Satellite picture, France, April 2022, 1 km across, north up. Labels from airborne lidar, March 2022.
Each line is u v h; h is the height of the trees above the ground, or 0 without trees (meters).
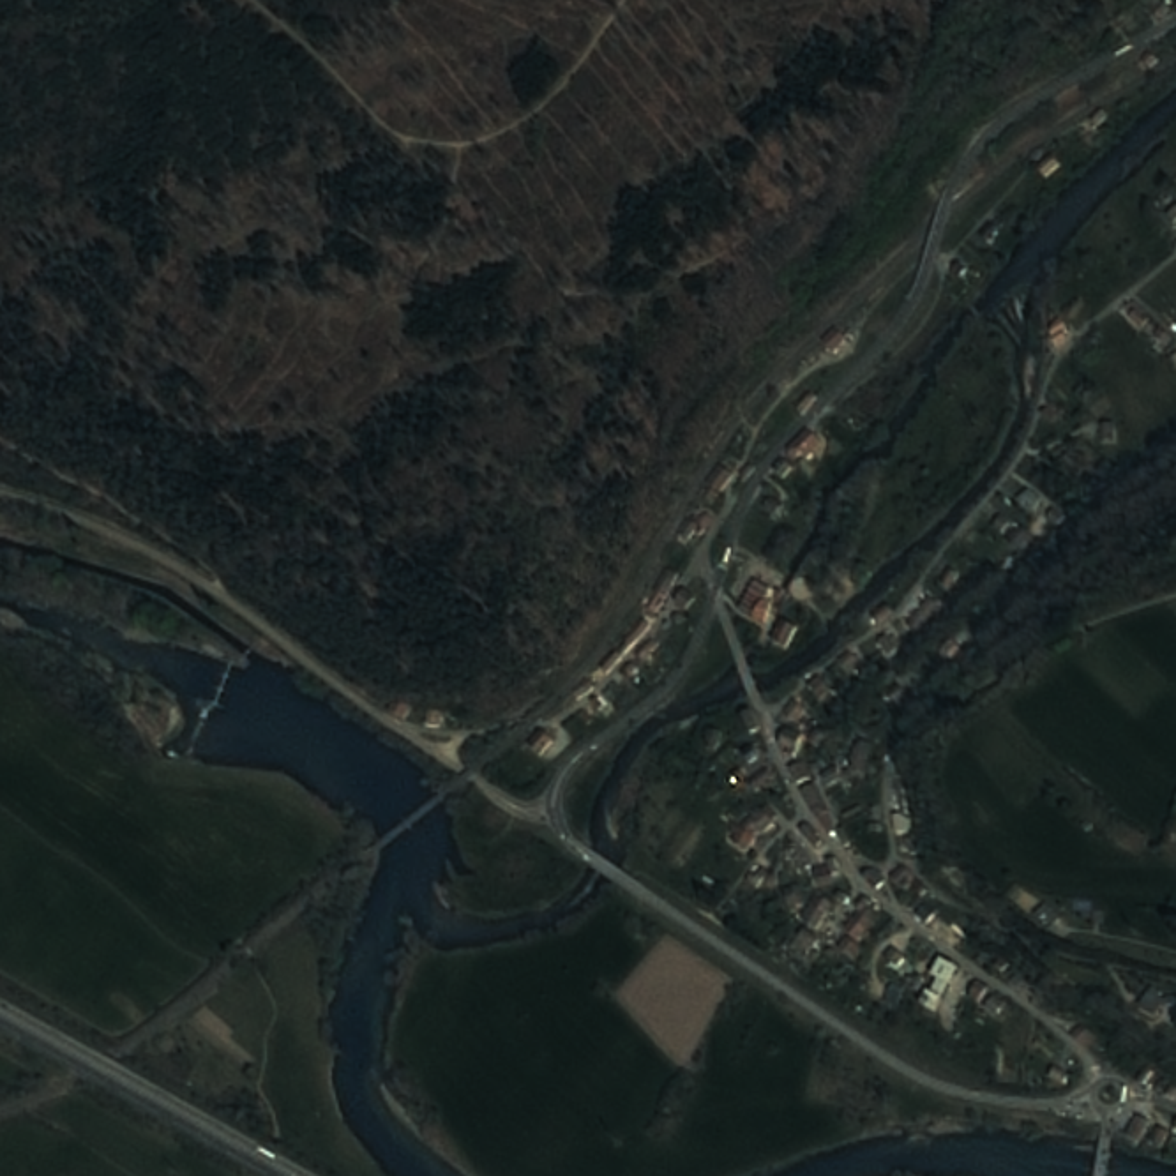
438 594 24
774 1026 0
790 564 24
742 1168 0
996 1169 0
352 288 28
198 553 22
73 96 7
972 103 29
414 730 0
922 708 20
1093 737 0
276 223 28
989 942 14
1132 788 0
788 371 0
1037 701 0
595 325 30
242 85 11
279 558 22
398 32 27
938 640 15
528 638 17
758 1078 0
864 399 6
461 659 17
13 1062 0
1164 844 8
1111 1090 6
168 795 0
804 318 16
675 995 0
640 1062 0
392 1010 0
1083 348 12
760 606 0
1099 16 26
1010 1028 0
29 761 0
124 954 0
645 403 35
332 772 0
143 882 0
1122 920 0
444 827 0
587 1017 0
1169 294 0
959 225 0
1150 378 0
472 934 0
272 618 17
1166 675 0
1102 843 0
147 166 9
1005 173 0
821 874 0
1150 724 0
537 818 0
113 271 21
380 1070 0
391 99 0
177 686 0
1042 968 14
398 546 9
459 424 7
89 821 0
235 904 0
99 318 25
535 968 0
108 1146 0
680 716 0
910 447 0
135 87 11
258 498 12
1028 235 14
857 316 0
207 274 7
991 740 0
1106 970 9
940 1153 0
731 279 30
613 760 0
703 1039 0
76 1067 0
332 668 12
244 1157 0
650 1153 0
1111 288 0
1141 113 0
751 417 0
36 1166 0
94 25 10
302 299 28
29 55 11
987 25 9
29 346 24
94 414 19
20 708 0
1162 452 21
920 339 0
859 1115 8
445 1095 0
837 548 19
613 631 0
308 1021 0
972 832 0
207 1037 0
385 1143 0
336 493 26
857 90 12
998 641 26
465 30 0
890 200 25
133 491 23
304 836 0
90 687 21
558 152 8
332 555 13
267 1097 0
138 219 16
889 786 0
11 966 0
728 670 0
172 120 9
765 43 5
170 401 25
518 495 12
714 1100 0
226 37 11
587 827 0
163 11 12
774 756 0
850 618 11
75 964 0
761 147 35
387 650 19
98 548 0
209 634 0
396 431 11
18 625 0
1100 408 0
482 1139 0
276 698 0
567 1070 0
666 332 6
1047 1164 0
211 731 0
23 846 0
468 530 12
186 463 27
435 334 14
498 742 9
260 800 0
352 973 0
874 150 23
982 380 0
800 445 0
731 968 0
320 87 10
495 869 0
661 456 27
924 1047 0
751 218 27
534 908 0
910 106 23
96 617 23
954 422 0
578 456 16
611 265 9
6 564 20
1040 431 0
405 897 0
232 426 32
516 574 11
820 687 0
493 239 29
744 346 23
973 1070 0
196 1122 0
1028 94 17
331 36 8
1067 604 23
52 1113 0
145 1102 0
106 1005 0
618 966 0
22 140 10
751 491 0
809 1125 0
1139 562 15
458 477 12
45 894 0
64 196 7
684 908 0
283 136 9
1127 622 0
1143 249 0
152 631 22
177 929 0
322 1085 0
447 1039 0
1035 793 0
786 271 27
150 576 0
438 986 0
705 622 0
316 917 18
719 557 0
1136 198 0
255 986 0
